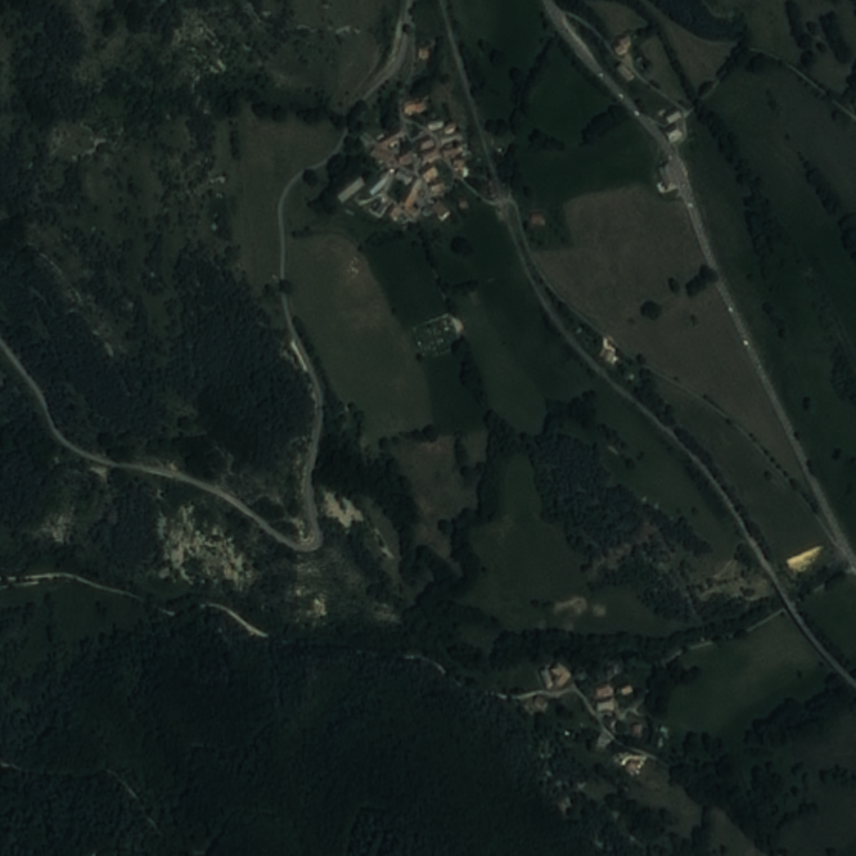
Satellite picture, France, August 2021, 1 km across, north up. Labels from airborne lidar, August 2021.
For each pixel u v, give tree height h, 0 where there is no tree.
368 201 0
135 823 14
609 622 0
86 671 13
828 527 0
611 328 0
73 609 0
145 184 0
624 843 20
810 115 0
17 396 6
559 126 0
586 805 9
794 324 0
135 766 17
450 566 9
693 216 0
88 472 7
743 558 6
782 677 0
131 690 14
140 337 7
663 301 0
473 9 0
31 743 10
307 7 0
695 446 22
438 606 19
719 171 0
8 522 6
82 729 14
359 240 0
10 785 22
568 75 0
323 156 0
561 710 12
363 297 0
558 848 16
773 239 10
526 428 0
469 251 26
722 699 0
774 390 0
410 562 15
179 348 8
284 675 11
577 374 0
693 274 0
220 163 0
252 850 15
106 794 19
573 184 0
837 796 0
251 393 14
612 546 11
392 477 21
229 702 23
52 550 6
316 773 18
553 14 0
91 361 13
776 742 19
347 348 0
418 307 0
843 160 0
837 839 0
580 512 13
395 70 0
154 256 9
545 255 0
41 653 0
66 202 9
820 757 0
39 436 14
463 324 0
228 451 6
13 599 0
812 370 0
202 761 14
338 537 9
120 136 5
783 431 0
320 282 0
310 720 11
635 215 0
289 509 6
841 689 14
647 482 0
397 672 15
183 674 19
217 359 13
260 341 12
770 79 0
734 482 0
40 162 11
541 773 13
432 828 18
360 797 19
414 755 19
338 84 0
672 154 0
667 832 7
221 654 7
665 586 10
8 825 25
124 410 11
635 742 16
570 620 0
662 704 16
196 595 8
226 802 14
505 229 0
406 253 0
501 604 0
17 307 14
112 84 10
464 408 0
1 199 13
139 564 11
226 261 7
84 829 19
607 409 0
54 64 8
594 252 0
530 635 12
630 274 0
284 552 13
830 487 0
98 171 0
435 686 18
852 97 7
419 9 11
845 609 0
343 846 19
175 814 19
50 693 10
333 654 16
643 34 11
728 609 15
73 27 7
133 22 13
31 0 13
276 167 0
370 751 22
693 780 18
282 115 16
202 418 7
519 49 0
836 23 17
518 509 0
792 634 0
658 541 7
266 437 12
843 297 0
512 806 18
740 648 0
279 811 16
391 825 15
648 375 6
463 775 12
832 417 0
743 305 0
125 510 15
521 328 0
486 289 0
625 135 0
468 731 16
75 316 11
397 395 0
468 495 0
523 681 0
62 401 13
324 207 13
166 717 18
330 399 11
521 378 0
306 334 12
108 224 0
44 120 16
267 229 0
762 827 14
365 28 0
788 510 0
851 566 0
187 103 8
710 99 0
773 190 0
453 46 0
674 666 10
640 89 0
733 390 0
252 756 20
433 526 0
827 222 0
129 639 13
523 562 0
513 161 16
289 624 6
